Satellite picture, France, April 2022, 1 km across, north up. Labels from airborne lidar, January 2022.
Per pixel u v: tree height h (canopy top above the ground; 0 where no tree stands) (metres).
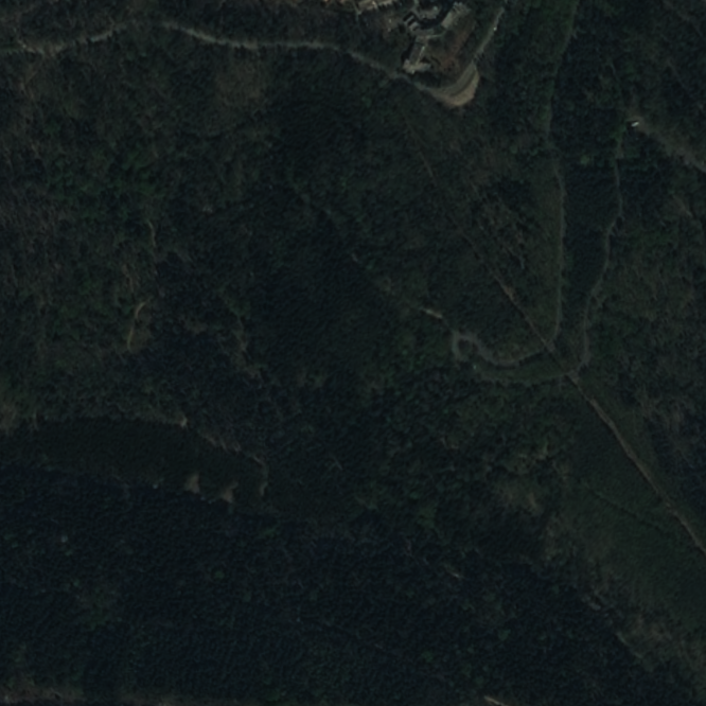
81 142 19
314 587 31
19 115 19
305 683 22
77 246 26
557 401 20
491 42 6
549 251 20
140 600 31
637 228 18
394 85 15
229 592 27
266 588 31
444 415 12
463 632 29
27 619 24
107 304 25
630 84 29
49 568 31
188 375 24
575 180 24
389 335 16
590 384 12
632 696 34
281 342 25
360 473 26
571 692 30
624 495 11
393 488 15
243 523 30
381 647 25
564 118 33
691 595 16
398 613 36
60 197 28
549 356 16
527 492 10
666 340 14
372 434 26
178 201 24
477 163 18
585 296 20
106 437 22
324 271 24
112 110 23
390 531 34
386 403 16
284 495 23
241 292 26
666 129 15
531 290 16
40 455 26
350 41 20
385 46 21
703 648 16
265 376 19
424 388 16
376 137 20
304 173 32
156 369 38
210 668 32
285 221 26
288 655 30
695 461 25
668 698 24
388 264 16
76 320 27
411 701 28
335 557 37
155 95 21
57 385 10
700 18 24
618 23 26
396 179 21
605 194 25
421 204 15
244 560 29
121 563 34
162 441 20
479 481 19
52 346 25
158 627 26
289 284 24
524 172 21
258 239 27
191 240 23
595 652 33
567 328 15
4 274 18
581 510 9
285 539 25
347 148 25
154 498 32
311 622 33
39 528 32
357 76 19
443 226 17
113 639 33
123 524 36
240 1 14
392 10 9
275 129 23
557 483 18
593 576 26
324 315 27
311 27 20
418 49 0
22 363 18
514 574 31
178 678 25
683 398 24
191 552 35
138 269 26
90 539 31
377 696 28
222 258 30
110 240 20
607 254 16
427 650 33
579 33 20
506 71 33
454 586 27
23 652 18
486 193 12
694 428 25
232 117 15
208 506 29
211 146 16
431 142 15
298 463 26
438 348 20
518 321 15
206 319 30
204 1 21
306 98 20
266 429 24
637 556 11
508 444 9
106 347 31
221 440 16
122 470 28
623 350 16
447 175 13
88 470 32
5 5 13
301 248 25
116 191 25
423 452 12
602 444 14
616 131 25
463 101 0
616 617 23
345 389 26
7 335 21
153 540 27
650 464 14
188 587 29
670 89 16
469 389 15
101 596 29
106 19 15
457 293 14
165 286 26
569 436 15
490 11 11
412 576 32
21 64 20
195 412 28
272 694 24
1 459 28
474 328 11
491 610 30
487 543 35
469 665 33
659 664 24
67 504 34
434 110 21
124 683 25
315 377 9
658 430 18
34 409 16
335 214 16
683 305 15
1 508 29
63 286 22
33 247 19
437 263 12
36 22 13
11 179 24
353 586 32
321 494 24
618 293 12
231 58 18
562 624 27
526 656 34
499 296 14
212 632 31
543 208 18
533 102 20
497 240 15
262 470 9
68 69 27
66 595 28
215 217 17
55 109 26
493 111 29
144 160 25
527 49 24
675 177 16
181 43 18
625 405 15
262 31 19
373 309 19
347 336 19
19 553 29
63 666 29
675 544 14
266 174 26
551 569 31
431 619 34
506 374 10
